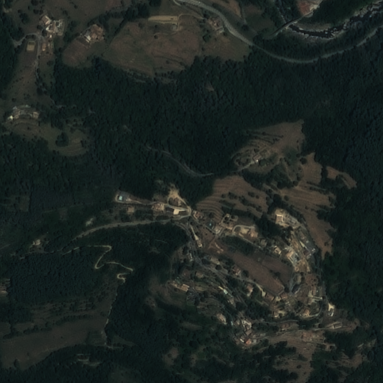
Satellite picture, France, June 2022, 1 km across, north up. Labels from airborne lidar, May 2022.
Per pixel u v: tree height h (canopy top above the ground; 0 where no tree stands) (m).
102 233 6
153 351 18
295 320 13
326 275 9
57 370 16
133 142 12
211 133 20
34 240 8
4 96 10
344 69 12
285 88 16
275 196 13
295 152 0
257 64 17
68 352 20
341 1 16
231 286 6
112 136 16
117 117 15
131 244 9
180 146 16
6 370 15
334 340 11
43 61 0
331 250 0
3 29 11
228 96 16
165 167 21
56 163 17
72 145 0
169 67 0
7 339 9
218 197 0
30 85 0
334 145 18
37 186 18
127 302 8
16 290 30
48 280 33
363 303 21
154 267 13
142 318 9
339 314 0
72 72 14
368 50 11
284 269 0
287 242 7
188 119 21
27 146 13
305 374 7
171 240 13
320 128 15
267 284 0
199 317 0
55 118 10
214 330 0
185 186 12
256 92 19
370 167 33
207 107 24
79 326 0
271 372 9
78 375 13
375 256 31
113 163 9
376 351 28
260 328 9
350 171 14
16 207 16
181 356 7
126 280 11
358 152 37
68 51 0
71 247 24
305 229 0
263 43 16
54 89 13
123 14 13
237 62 10
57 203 16
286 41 21
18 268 34
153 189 15
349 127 21
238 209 0
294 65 7
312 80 7
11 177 14
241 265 0
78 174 6
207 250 0
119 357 18
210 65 16
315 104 5
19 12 11
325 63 12
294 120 9
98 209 9
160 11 0
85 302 9
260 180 13
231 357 10
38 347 0
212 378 15
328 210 10
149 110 16
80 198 0
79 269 33
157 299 8
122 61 0
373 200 18
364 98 16
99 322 0
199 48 0
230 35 0
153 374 15
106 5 0
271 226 14
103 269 9
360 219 18
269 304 0
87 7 0
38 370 12
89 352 16
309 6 0
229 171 13
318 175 0
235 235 0
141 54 0
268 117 17
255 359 15
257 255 0
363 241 19
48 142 9
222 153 19
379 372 12
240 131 14
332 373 18
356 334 12
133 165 16
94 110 19
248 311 11
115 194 0
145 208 7
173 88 10
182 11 0
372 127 35
